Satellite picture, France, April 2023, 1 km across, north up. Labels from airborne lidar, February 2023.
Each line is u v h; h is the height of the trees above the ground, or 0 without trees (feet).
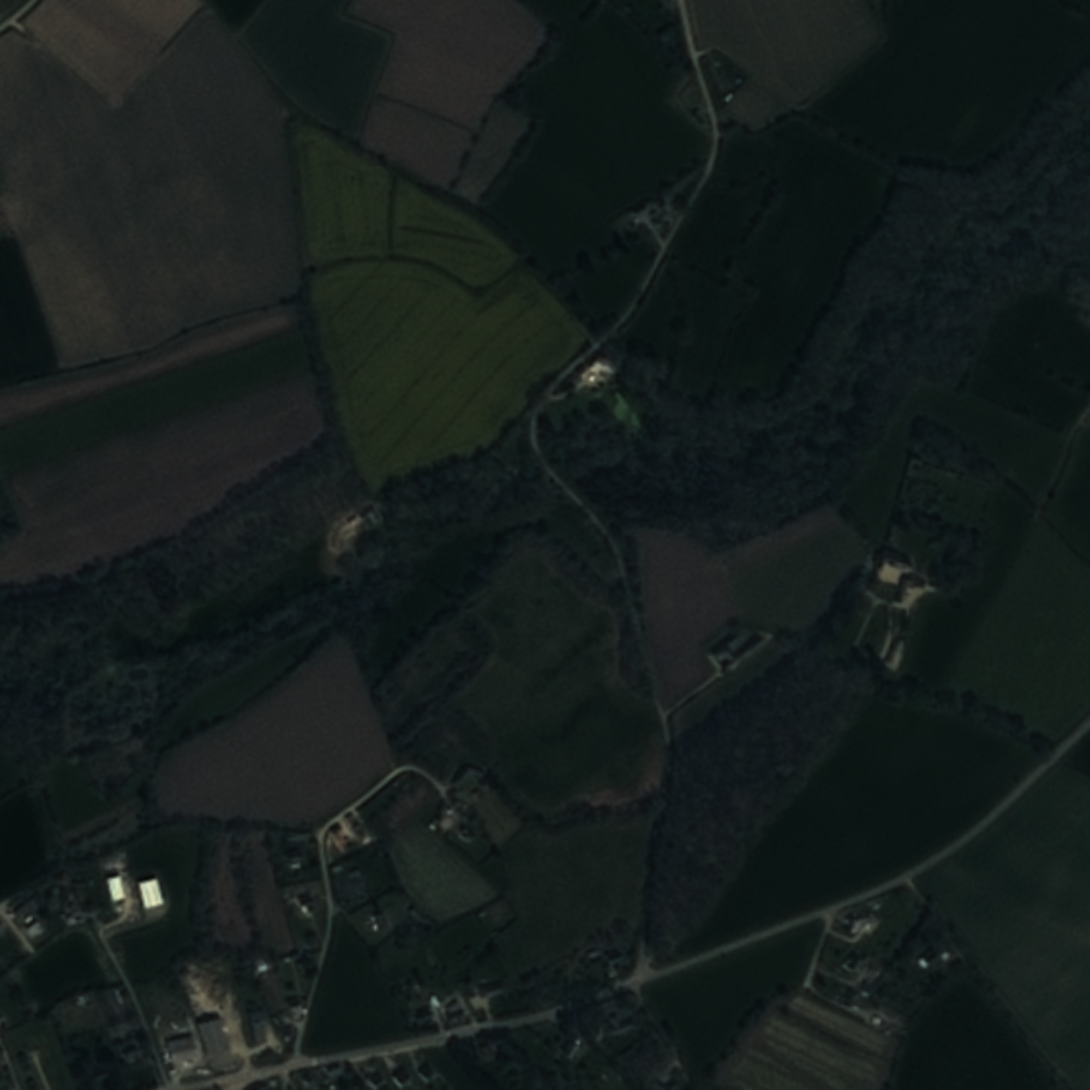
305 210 0
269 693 0
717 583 0
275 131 0
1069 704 0
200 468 0
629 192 0
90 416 0
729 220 0
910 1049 0
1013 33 0
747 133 27
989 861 0
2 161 0
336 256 0
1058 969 0
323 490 65
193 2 0
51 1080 0
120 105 0
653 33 28
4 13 0
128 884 0
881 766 0
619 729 0
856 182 0
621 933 57
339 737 0
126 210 0
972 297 86
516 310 0
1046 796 0
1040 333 0
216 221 0
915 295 36
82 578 31
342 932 0
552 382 50
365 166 0
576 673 0
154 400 0
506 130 0
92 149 0
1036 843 0
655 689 43
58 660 29
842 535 0
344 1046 0
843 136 22
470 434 0
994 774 0
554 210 0
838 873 0
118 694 25
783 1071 0
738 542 44
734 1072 0
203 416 0
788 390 70
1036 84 0
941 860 0
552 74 0
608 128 0
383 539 35
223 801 0
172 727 0
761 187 0
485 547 0
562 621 0
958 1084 0
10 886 0
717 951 0
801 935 0
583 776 0
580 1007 49
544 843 0
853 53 0
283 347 0
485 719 0
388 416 0
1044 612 0
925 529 42
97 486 0
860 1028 0
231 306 0
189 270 0
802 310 0
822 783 0
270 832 37
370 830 0
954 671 0
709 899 68
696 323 0
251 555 69
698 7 0
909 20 0
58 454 0
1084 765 0
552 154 0
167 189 0
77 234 0
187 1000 0
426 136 0
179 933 0
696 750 70
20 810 0
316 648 28
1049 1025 0
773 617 0
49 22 0
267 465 0
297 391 0
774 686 60
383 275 0
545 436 24
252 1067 0
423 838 0
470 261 0
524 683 0
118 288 0
